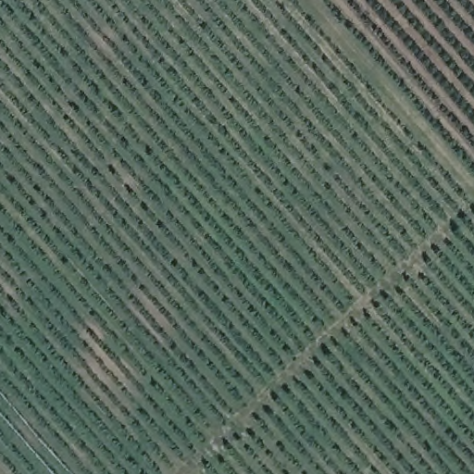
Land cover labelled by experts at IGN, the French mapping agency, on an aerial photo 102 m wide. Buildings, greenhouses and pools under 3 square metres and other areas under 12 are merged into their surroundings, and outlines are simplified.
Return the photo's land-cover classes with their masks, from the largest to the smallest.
<instances>
[{"label":"deciduous trees","instance_id":"1","mask_svg":"<svg viewBox=\"0 0 474 474\"><path fill-rule=\"evenodd\" d=\"M306 17L309 26L317 31L350 69L346 74H341L328 56L318 48V44L291 17V13L280 0H0V474H474V202L468 198L465 189L454 180L452 172L433 156L428 144L418 143V150H422L430 165L439 168L444 180L448 181L455 193L465 200L468 207L463 211L467 217H457L461 207L457 206L452 196L444 191L437 178L422 167L420 159L405 146L393 128L378 115L374 107L368 106L367 100L357 91L355 85L359 81L365 83L368 93L376 98V102H380L381 107L398 126L402 124V117L381 100V94L370 83V78L363 76L361 70H357L355 63L341 52V48L331 39L330 33L324 31L313 15H309L306 6L300 4V0H289ZM87 328H93L94 335L91 337L94 343L100 344V348L115 361V365L122 370V374L128 380H118L115 372L106 367L104 359L94 352L87 341L81 339L80 331H87ZM322 4L328 7V11L337 22L343 24L344 28L354 35V39L361 43L383 72L398 85L400 93L409 100V104L415 107L431 128L439 133L444 144L454 152L457 159H461V163L474 176V161L465 152V148H461L454 137L444 130L441 120L431 115L430 109L418 100L417 94L405 85V81L391 69V65L383 59L367 37L355 28L352 20L344 17L343 11L331 0H322ZM354 9L355 15L365 22V26L376 33V37L391 52V56L411 74L418 87L430 96L433 104L439 107L444 117L461 131V135L474 148V135L448 107L444 106L437 93L396 50V46L387 39L380 26L368 17L355 0H344ZM368 6L372 7L380 15V19L398 35V39L430 72L433 80L443 87L446 94L474 124V109L461 94L457 93V89L446 80L443 72L431 63L430 57L420 50V46L405 33L404 28L391 17V13L381 6L378 0H367ZM396 9L404 15V19L420 33V37L430 44L443 59L444 65L454 72L474 96V81L457 67L450 54L433 39L430 31H426L402 0H391ZM418 9L430 19L431 24L441 31L444 39L454 46L455 52L463 57L468 67L474 70V57L470 56L467 48L455 39L444 26L443 20L431 11V7L424 0H413ZM437 6L443 9L455 26L467 35L470 43L474 44V31L455 13L454 7L446 0H435Z\"/></svg>","mask_w":474,"mask_h":474},{"label":"herbaceous vegetation","instance_id":"2","mask_svg":"<svg viewBox=\"0 0 474 474\"><path fill-rule=\"evenodd\" d=\"M291 13V17L318 44V48L328 56L341 74H346L350 69L317 31L309 26L306 17L289 0H280ZM300 4L306 6L309 15H313L324 31L330 33L331 39L341 48V52L355 63L357 70H361L363 76L370 78V83L381 94V100L402 117V124L398 126L381 107L380 102H376V98L368 93L365 83L359 81L355 85L357 91L367 100L368 106L374 107L378 115L393 128L405 146L420 159L422 167L437 178L444 191L452 196L457 206L461 207L457 217H467L463 211L468 207L465 200L455 193L448 181L444 180L439 168L430 165L422 150H418V143L428 144L433 156L452 172L454 180L465 189L468 198L474 202V176L461 163V159H457L454 152L444 144L439 133L431 128L415 107L409 104V100L400 93L398 85L383 72L361 43L354 39V35L344 28L343 24L337 22L328 11V7L322 4V0H300ZM343 11L344 17L352 20L355 28L367 37L383 59L391 65V69L405 81V85L417 94L418 100L430 109L431 115L441 120L444 130L454 137L461 148H465V152L474 161V148L461 135V131L444 117L439 107L433 104L430 96L418 87L411 74L391 56V52L376 37V33L365 26V22L355 15L354 9L344 0H331ZM368 17L380 26L387 39L396 46V50L437 93L444 106L448 107L474 135V124L446 94L443 87L433 80L430 72L398 39V35L380 19V15L372 7L368 6L367 0H355ZM381 6L391 13V17L404 28L405 33L420 46V50L430 57L431 63L443 72L446 80L457 89V93L461 94L474 109V96L454 72L444 65L443 59L430 44L420 37V33L404 19V15L396 9L391 0H378ZM426 31H430L433 39L450 54L457 67L474 81V70L468 67L463 57L455 52L454 46L444 39L441 31L431 24L430 19L418 9L413 0H402ZM431 7V11L443 20L444 26L455 39L467 48L470 56L474 57V44L470 43L467 35L455 26L443 9L437 6L435 0H424ZM454 7L455 13L474 31V0H446ZM94 335L93 328H87V331H80L81 339L87 341L94 352L104 359L106 367L115 372L118 380H128L122 374V370L115 365V361L100 348V344L94 343L91 337Z\"/></svg>","mask_w":474,"mask_h":474}]
</instances>
